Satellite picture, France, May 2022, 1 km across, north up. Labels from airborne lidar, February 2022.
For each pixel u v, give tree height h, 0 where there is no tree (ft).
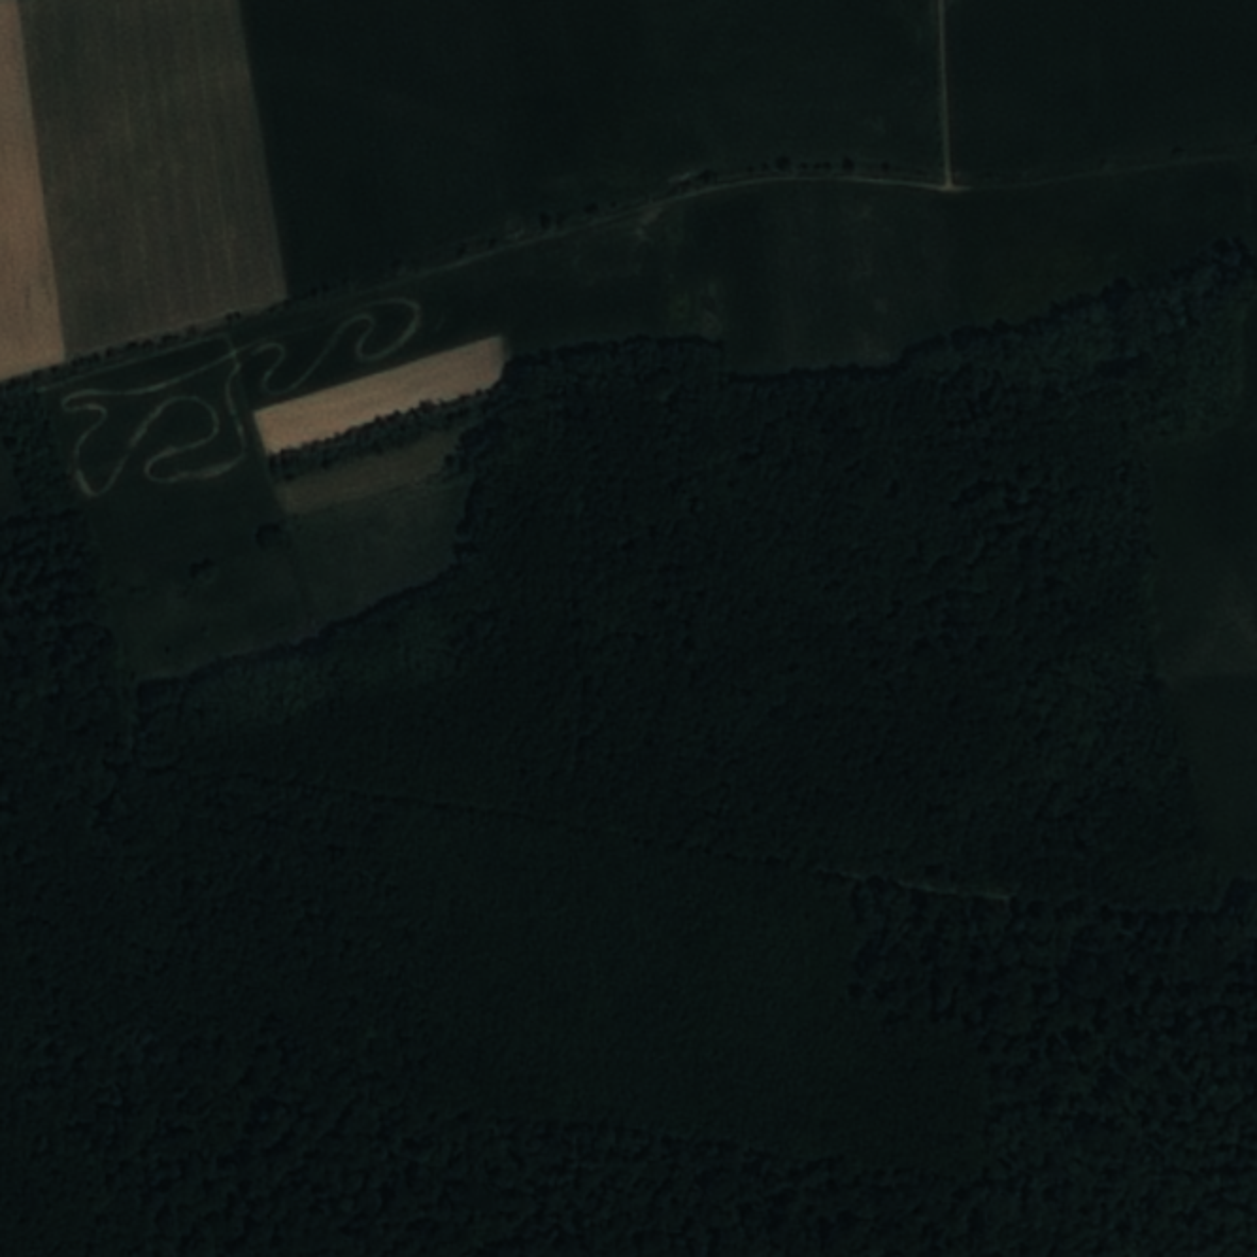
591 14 0
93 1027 77
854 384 63
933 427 79
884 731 80
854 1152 50
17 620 71
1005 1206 82
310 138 0
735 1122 57
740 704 84
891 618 80
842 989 43
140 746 66
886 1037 74
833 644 82
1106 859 80
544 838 53
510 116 0
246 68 0
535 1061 58
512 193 0
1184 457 0
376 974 67
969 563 90
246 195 0
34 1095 79
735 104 0
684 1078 58
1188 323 54
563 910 54
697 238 0
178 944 91
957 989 36
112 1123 64
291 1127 102
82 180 0
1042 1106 79
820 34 0
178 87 0
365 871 75
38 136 0
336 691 72
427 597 32
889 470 79
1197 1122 86
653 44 0
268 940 88
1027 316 0
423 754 59
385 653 38
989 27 0
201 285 0
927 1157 45
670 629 81
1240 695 0
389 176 0
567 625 62
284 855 82
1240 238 0
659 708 88
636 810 76
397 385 0
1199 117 0
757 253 0
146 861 75
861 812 86
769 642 88
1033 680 81
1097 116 0
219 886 72
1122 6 0
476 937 57
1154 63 0
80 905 89
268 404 0
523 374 61
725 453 80
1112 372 37
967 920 70
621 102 0
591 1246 69
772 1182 87
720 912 57
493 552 54
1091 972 101
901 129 0
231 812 81
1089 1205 63
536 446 52
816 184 0
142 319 0
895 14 0
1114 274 0
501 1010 58
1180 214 0
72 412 0
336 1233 92
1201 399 70
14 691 96
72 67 0
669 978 59
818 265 0
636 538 82
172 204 0
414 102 0
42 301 0
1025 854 85
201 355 0
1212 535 0
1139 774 70
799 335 0
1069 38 0
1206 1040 91
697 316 0
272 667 70
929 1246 29
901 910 21
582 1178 85
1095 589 72
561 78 0
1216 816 0
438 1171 85
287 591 0
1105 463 65
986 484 45
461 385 0
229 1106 37
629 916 55
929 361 67
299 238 0
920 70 0
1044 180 0
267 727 61
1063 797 70
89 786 85
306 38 0
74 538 59
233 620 0
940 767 73
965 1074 56
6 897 60
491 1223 89
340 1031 83
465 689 61
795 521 84
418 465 0
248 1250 81
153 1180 52
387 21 0
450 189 0
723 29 0
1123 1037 95
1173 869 67
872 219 0
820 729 87
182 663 0
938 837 73
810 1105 60
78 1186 87
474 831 56
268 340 0
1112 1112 34
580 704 63
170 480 0
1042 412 72
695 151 0
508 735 61
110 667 68
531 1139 86
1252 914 80
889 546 80
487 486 45
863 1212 71
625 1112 60
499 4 0
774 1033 58
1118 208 0
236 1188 25
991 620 83
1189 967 98
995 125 0
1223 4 0
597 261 0
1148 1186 85
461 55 0
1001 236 0
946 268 0
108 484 0
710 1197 82
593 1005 53
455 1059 79
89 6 0
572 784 72
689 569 90
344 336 0
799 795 77
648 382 80
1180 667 0
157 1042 85
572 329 0
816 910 41
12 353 0
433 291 0
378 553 0
